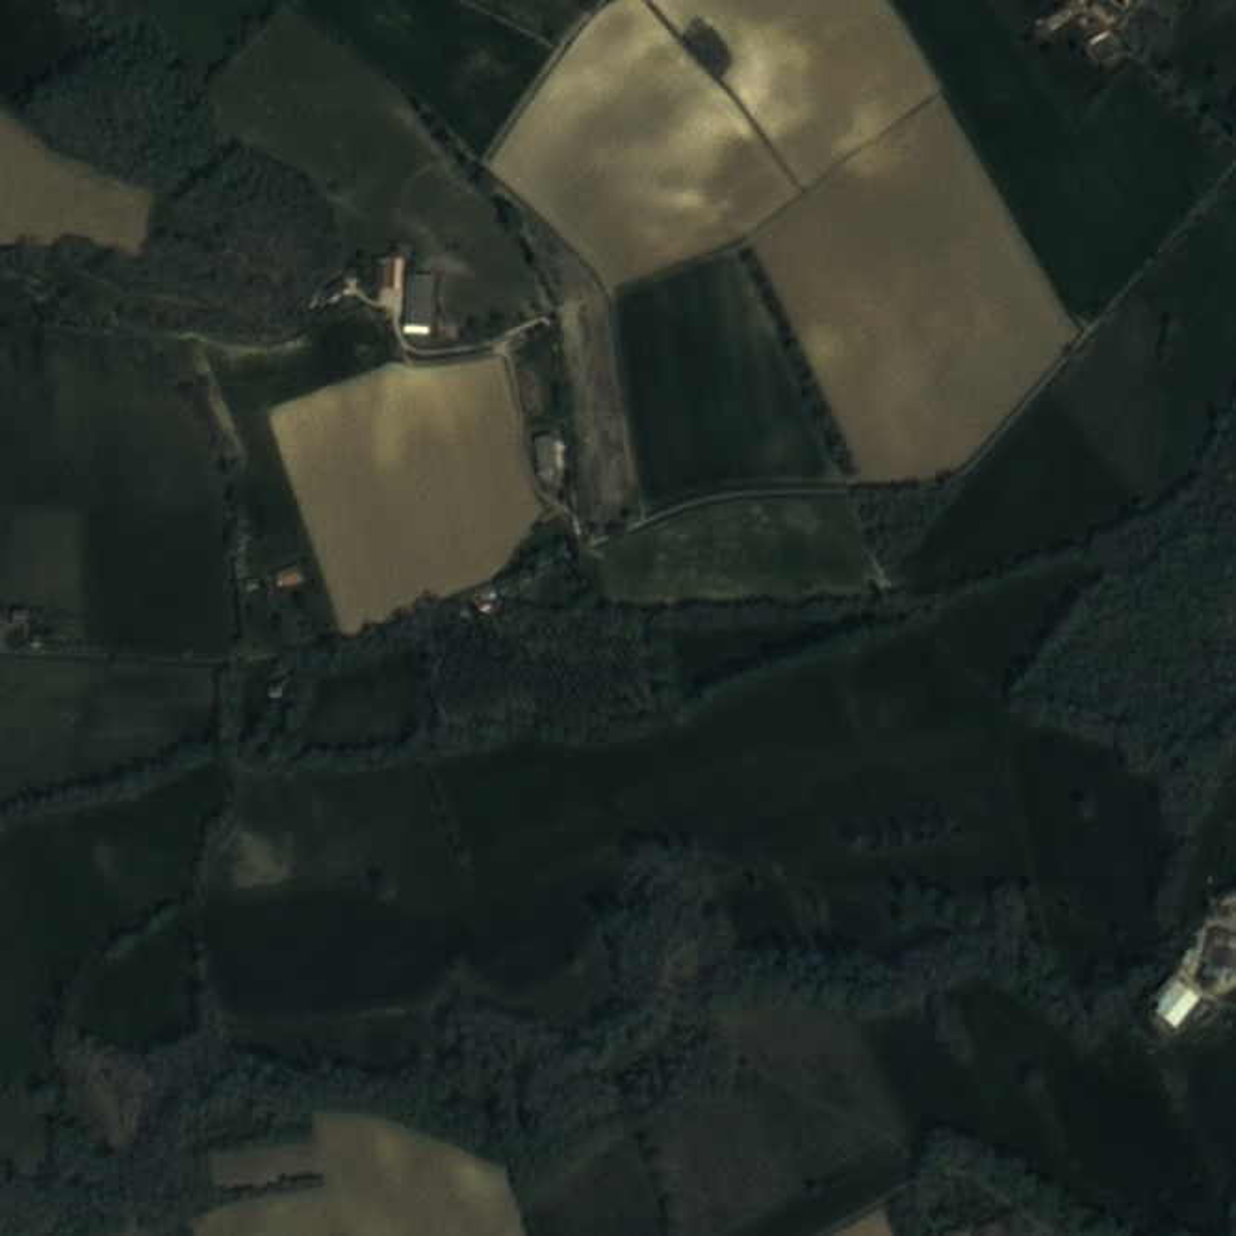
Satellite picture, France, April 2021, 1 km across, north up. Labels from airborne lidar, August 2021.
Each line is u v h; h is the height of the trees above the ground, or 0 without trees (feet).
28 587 0
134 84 73
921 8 0
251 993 0
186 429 0
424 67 0
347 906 0
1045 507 0
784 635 0
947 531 0
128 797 67
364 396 0
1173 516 59
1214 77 52
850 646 60
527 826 0
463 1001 58
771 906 0
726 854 0
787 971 66
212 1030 63
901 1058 0
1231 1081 0
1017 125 0
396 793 0
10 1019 0
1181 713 42
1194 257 0
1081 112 0
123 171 57
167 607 0
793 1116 0
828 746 0
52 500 0
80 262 59
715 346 0
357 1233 0
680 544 0
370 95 0
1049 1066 0
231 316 53
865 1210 0
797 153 0
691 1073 64
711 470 0
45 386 0
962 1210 40
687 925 65
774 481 0
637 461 0
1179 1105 27
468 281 0
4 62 0
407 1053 0
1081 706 35
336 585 0
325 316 37
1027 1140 0
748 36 0
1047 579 0
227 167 75
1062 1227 52
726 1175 0
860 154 0
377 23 0
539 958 0
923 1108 0
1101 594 50
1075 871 0
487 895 0
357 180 0
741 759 0
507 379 0
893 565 66
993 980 44
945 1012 70
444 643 85
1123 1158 0
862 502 36
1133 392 0
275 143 0
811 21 0
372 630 43
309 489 0
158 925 42
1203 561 48
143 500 0
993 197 0
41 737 0
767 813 0
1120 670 41
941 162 0
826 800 0
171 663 0
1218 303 0
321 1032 0
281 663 47
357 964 0
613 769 0
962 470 0
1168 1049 0
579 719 83
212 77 21
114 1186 74
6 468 0
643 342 0
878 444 0
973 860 0
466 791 0
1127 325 0
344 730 0
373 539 0
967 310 0
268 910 0
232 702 45
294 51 0
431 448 0
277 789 0
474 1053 71
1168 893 53
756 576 0
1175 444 0
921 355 0
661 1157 58
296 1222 0
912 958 54
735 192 0
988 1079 0
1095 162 0
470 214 0
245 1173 0
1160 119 0
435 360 0
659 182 0
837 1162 0
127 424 0
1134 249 0
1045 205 0
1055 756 0
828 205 0
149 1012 0
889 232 0
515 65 0
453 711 90
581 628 48
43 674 0
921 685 0
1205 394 0
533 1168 55
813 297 0
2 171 0
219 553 0
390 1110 65
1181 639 39
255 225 66
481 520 0
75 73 64
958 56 0
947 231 0
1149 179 0
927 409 0
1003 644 0
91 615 0
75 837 0
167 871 0
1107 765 0
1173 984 0
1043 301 0
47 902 0
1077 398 0
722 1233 0
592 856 0
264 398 0
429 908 0
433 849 0
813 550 0
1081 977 0
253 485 0
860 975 63
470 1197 0
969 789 0
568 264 0
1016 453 0
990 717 0
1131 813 0
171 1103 31
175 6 0
